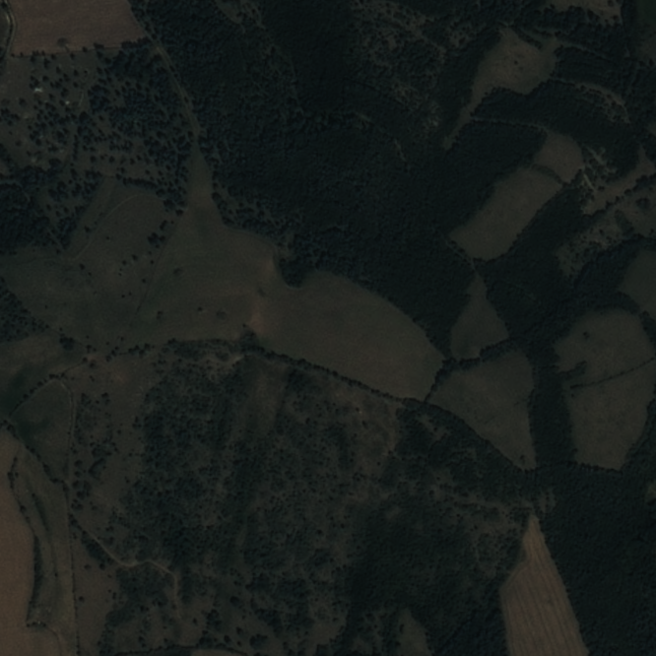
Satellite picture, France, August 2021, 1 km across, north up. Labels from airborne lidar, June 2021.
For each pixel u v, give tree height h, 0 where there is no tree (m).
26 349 0
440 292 8
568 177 0
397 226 15
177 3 14
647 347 0
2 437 0
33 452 8
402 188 11
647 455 12
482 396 0
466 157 7
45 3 0
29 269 0
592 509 14
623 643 9
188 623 0
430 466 7
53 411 0
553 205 8
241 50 13
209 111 15
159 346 0
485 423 0
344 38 17
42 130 11
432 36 7
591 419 0
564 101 7
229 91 11
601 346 0
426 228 8
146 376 0
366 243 12
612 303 6
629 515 15
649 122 9
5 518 0
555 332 11
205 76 11
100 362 0
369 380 0
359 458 0
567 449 8
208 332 0
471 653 12
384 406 0
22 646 0
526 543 0
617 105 8
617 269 13
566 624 0
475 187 9
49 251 0
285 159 11
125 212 0
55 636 0
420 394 0
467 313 0
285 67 9
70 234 9
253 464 7
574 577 10
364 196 12
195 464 0
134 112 12
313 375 0
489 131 8
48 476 8
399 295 8
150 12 10
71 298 0
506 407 0
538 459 6
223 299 0
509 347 8
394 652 7
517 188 0
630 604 10
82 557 0
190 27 12
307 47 10
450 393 0
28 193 10
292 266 9
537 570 0
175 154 11
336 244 13
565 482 9
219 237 0
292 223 10
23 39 0
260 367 0
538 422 8
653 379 0
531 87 0
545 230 8
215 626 9
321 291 0
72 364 0
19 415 0
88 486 6
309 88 11
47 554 0
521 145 9
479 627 13
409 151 11
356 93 16
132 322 0
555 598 0
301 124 17
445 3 12
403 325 0
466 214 9
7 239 13
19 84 0
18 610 0
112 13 0
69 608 0
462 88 8
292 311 0
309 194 13
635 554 18
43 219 10
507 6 13
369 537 6
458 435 10
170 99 11
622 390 0
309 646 0
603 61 9
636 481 12
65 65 0
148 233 0
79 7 0
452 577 6
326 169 14
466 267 8
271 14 12
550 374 7
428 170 13
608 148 7
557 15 14
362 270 10
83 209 7
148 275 0
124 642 0
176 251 0
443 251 9
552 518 9
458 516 6
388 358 0
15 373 0
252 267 0
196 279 0
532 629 0
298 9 17
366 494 0
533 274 9
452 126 6
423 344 0
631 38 10
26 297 0
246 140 12
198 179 0
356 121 16
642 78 11
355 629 9
